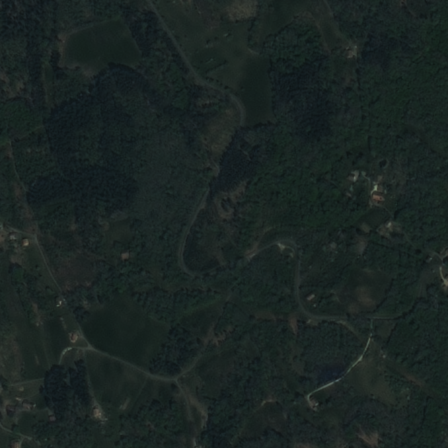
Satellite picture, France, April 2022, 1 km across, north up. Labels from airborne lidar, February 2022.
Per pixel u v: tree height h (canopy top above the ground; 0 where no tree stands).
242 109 0
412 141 23
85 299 15
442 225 23
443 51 13
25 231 0
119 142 26
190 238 10
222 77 0
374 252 6
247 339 28
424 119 19
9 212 20
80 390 21
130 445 23
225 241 25
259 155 23
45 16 32
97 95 31
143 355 0
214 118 29
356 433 24
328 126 29
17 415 22
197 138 26
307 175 20
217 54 0
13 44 21
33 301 17
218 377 0
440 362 21
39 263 0
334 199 21
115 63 0
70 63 0
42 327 0
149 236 21
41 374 0
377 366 0
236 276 15
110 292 22
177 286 0
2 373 0
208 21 17
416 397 14
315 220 19
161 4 0
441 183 13
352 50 0
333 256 10
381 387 0
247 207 20
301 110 29
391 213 0
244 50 0
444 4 25
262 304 20
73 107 31
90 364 0
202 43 0
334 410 0
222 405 21
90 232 7
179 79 20
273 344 25
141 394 0
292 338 21
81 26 16
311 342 11
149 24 19
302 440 25
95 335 0
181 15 0
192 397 0
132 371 0
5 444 0
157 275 0
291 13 0
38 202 27
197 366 0
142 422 17
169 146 15
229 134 0
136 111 15
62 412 21
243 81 0
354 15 24
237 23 8
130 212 20
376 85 23
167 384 0
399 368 0
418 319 20
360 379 0
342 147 25
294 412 21
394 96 26
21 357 0
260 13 8
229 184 19
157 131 18
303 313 0
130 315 0
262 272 21
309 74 27
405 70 29
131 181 32
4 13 12
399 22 23
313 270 0
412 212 24
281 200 24
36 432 9
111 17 14
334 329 21
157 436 27
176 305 21
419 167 18
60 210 12
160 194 22
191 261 7
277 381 25
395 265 17
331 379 6
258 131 21
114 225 0
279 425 0
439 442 12
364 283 0
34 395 0
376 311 7
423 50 15
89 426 9
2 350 0
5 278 0
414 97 20
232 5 0
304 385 28
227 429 7
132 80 32
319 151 26
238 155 19
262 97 0
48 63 25
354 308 0
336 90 29
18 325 0
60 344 0
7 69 19
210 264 8
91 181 28
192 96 18
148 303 25
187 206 23
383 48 27
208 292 6
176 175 22
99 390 0
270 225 12
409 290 23
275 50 10
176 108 23
